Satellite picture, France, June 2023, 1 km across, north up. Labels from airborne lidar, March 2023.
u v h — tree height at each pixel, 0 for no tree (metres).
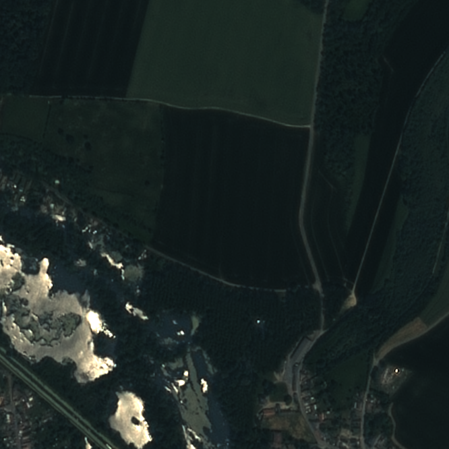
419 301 10
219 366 20
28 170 31
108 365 0
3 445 10
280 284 0
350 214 0
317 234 0
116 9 0
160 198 0
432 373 0
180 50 0
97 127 0
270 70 0
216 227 0
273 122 0
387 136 0
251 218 0
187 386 0
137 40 0
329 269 0
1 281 0
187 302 19
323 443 0
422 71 0
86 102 0
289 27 0
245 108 0
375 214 0
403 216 0
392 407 0
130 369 13
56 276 0
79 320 0
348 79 13
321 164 0
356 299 0
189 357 0
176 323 0
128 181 0
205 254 0
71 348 0
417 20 0
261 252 0
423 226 10
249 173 0
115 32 0
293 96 0
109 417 0
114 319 22
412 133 6
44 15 24
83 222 20
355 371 0
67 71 0
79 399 6
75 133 0
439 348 0
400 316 10
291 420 0
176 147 0
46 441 7
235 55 0
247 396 24
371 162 0
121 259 0
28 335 0
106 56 0
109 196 0
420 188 11
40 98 0
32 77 11
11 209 0
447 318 0
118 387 21
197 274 16
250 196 0
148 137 0
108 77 0
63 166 8
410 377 0
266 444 15
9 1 23
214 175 0
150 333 13
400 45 0
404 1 11
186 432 0
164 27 0
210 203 0
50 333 0
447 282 0
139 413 0
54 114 0
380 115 0
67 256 15
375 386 0
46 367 7
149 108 0
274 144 0
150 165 0
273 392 16
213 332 17
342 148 21
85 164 0
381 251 0
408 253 6
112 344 0
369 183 0
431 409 0
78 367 0
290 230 0
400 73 0
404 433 0
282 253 0
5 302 0
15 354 17
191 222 0
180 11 0
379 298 12
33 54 18
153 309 18
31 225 9
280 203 0
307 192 0
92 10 0
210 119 0
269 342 22
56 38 0
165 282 22
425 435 0
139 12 0
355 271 0
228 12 0
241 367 10
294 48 0
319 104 18
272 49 0
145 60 0
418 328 0
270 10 0
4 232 12
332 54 9
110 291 18
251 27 0
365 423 10
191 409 0
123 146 0
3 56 23
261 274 0
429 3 0
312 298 21
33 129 0
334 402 15
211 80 0
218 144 0
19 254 0
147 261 8
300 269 0
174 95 0
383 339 10
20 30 21
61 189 16
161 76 0
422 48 0
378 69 13
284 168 0
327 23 8
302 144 0
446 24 0
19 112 0
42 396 0
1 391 0
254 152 0
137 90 0
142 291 14
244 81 0
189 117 0
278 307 22
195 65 0
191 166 0
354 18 0
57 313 0
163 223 0
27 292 0
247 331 19
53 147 0
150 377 13
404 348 0
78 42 0
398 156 0
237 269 0
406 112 0
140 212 0
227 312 21
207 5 0
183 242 0
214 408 0
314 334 0
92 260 19
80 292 0
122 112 0
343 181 0
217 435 0
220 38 0
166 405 24
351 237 0
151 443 15
